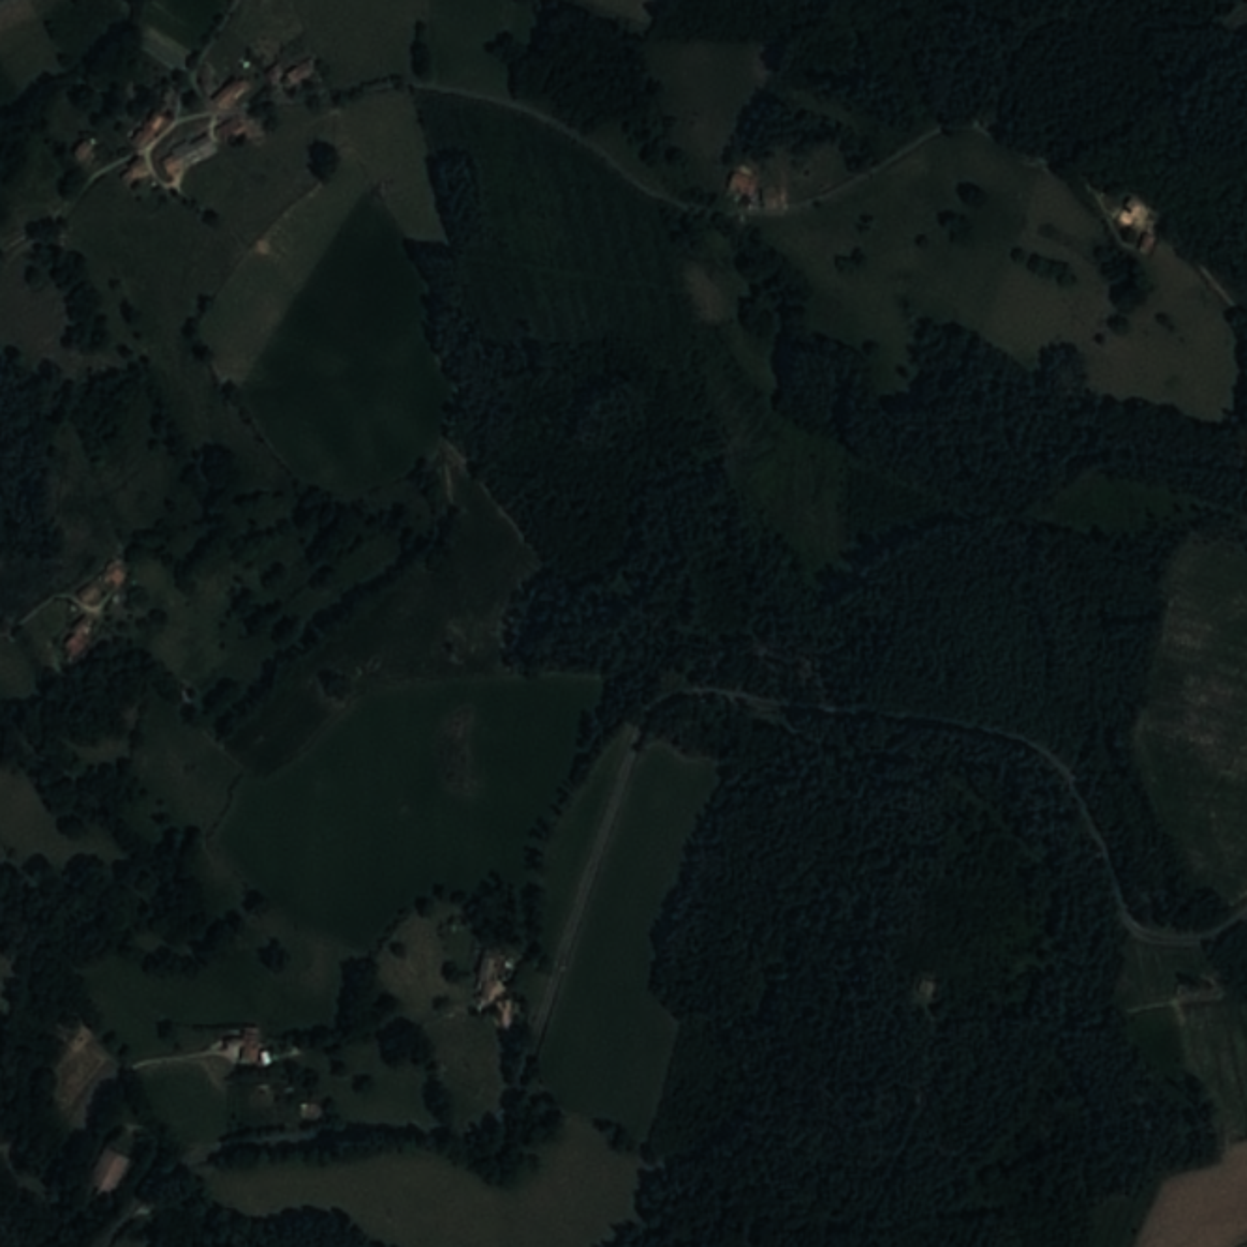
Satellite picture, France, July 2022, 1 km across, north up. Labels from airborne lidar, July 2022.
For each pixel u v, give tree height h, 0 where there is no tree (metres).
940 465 33
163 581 0
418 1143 26
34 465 20
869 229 11
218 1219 22
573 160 0
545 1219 0
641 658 22
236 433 0
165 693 17
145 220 0
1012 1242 12
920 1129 21
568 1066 0
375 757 0
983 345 22
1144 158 19
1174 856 10
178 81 13
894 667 28
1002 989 7
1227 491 34
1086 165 20
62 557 12
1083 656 30
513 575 0
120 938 10
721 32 13
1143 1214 0
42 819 0
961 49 22
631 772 0
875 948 27
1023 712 22
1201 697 0
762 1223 17
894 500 6
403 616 0
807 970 21
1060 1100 14
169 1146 13
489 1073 0
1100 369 0
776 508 0
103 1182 0
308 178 0
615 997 0
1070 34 11
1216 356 0
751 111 11
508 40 14
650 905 0
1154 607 14
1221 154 29
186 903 22
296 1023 0
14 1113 24
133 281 0
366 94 7
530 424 9
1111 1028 30
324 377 0
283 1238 26
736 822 22
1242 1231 0
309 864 0
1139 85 10
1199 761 0
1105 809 25
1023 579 25
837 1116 18
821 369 34
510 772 0
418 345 0
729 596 10
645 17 0
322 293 0
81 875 23
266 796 0
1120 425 23
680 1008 11
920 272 0
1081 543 18
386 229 0
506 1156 10
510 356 18
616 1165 0
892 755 10
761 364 0
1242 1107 0
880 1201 26
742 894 22
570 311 0
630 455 9
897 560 29
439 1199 0
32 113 19
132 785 15
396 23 0
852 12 20
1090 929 27
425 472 13
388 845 0
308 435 0
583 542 12
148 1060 0
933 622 23
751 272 18
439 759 0
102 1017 16
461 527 15
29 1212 28
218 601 0
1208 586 0
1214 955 11
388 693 0
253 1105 0
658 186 0
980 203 20
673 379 5
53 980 18
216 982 0
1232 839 0
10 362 12
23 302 0
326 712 0
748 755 20
